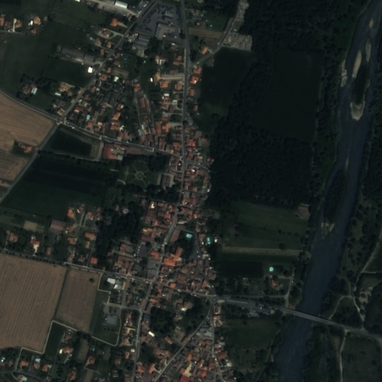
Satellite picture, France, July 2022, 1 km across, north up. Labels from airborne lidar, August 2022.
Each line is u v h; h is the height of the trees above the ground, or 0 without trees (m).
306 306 0
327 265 0
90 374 0
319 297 0
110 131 0
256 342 0
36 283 0
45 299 0
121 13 0
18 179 0
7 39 0
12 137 0
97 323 0
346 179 18
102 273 0
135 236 15
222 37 0
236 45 0
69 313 0
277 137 8
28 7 0
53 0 0
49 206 0
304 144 18
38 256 13
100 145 0
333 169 0
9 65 0
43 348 0
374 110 11
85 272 0
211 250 9
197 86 0
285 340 0
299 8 22
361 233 0
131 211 11
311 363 17
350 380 0
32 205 0
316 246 0
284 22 8
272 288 0
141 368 0
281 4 22
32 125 0
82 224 0
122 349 7
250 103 26
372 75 0
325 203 0
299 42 12
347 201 0
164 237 6
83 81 0
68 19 0
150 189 16
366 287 0
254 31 27
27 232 7
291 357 0
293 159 22
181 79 0
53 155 16
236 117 15
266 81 22
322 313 13
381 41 12
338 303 0
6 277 0
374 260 0
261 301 10
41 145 0
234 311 9
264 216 0
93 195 8
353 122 0
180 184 9
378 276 13
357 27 0
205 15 0
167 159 10
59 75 0
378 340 0
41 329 0
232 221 0
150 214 0
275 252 0
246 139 32
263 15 8
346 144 0
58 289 0
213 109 0
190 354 0
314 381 0
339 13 6
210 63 0
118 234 17
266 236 0
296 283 0
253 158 27
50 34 0
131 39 0
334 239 0
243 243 0
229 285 8
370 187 14
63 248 0
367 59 0
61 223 0
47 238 9
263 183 23
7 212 7
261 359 10
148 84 0
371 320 0
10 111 0
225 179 23
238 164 10
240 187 20
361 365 0
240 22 0
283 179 23
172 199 18
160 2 0
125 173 0
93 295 0
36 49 0
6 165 0
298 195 22
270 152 21
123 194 8
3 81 0
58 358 5
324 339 0
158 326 7
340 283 18
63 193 0
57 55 0
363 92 8
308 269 17
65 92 6
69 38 0
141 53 0
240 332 0
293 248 0
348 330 0
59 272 0
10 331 0
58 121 0
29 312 0
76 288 0
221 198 16
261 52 14
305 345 0
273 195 15
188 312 17
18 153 0
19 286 0
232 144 20
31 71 0
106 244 16
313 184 15
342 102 0
